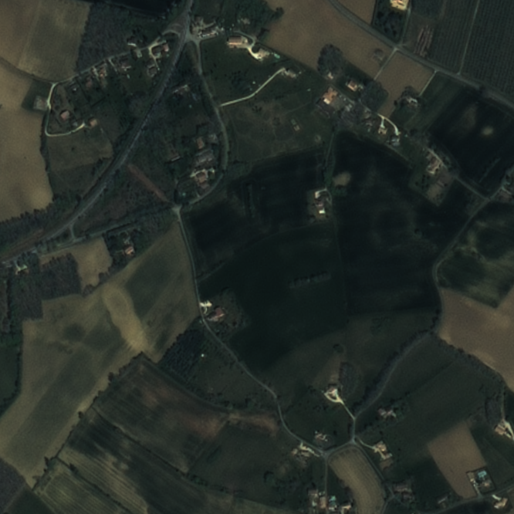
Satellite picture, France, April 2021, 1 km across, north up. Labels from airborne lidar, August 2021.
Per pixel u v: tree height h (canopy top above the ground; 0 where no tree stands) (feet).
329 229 0
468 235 0
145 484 0
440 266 0
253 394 23
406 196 0
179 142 54
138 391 0
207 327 28
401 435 0
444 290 0
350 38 0
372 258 0
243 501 0
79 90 32
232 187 0
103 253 0
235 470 0
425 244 0
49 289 43
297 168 0
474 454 0
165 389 0
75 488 0
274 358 0
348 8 0
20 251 0
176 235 0
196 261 0
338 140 0
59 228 0
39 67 0
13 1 0
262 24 29
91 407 0
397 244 0
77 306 0
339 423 0
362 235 0
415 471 0
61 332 0
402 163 0
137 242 74
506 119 0
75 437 0
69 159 0
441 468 0
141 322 0
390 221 0
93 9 41
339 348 18
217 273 0
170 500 0
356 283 0
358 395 0
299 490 31
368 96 56
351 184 0
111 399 0
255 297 0
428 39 0
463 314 0
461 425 0
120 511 0
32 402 0
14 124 0
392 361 45
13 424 0
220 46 0
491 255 0
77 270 59
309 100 0
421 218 0
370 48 0
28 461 0
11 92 0
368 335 0
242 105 0
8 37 0
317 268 0
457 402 0
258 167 0
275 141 0
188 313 0
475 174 0
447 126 0
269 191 0
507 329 0
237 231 0
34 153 0
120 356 0
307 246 0
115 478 0
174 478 0
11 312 59
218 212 0
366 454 0
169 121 44
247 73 19
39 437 0
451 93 0
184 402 0
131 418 0
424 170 0
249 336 0
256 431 0
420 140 47
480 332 0
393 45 0
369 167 0
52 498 0
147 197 24
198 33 0
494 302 0
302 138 0
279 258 0
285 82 0
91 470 0
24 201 0
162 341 0
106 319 0
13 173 0
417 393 0
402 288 0
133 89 0
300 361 0
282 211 0
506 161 0
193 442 0
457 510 0
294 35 0
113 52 61
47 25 0
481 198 0
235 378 0
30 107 0
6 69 0
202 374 0
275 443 0
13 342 46
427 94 0
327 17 0
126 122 47
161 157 43
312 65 0
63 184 0
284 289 0
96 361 0
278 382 0
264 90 0
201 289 0
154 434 0
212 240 0
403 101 24
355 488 0
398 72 0
